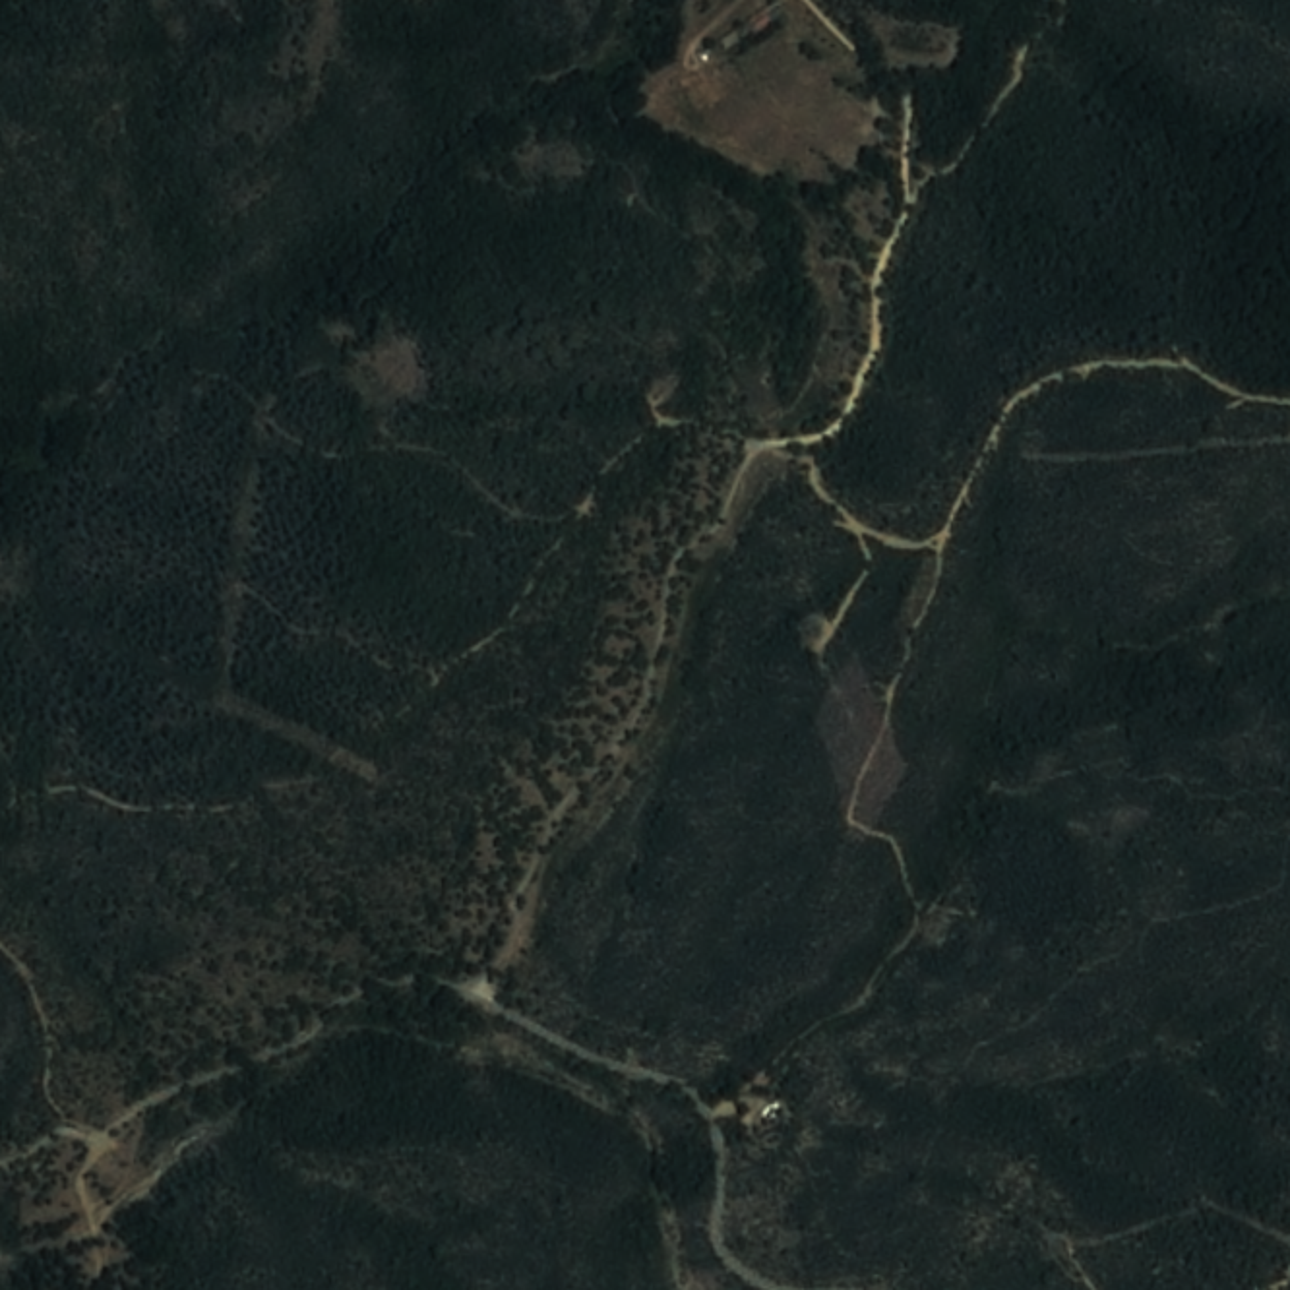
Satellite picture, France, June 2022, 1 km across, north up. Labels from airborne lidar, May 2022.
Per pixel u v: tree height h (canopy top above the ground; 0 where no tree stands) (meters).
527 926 0
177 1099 9
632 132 19
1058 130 6
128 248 6
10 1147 6
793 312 9
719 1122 6
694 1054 0
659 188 6
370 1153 6
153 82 7
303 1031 8
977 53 14
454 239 9
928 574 0
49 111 9
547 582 8
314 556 14
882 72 12
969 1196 0
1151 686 6
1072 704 7
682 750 0
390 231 9
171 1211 16
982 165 7
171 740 14
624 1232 7
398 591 7
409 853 6
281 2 8
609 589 8
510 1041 0
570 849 0
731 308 6
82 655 12
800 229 7
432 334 8
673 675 0
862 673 0
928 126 10
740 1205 0
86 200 7
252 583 13
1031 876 6
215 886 8
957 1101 6
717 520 9
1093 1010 6
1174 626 9
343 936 8
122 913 8
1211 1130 6
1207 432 8
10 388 10
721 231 7
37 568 8
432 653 10
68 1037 6
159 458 10
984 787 7
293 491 16
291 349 15
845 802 0
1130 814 0
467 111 7
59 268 7
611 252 7
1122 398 6
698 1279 0
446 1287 6
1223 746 0
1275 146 19
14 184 8
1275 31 7
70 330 5
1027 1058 0
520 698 11
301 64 7
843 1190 0
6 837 8
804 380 0
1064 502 9
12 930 8
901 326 7
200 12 7
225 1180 17
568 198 8
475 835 10
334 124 6
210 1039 11
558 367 12
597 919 0
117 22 11
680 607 9
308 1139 6
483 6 12
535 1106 7
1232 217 16
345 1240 6
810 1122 0
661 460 7
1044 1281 9
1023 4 14
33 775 8
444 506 7
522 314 14
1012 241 12
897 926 6
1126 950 0
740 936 0
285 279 6
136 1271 13
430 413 15
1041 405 8
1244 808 6
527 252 9
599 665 7
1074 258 12
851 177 12
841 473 7
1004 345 6
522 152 8
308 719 13
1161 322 15
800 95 0
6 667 7
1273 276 11
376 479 9
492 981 7
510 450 11
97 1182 7
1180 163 17
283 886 7
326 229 11
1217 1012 9
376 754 6
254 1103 7
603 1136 8
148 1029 11
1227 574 7
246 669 11
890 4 10
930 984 0
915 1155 0
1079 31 7
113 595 6
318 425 10
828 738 0
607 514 9
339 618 7
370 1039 9
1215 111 6
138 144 6
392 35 9
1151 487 6
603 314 13
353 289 14
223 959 6
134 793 10
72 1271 12
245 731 10
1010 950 0
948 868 6
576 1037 9
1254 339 10
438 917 7
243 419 12
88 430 9
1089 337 6
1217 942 6
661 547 7
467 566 9
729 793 0
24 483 14
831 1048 0
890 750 0
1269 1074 6
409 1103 6
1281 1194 6
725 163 17
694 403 6
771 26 6
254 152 9
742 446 7
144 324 7
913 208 9
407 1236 7
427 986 15
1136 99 16
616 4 9
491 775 8
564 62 7
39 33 10
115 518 13
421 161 11
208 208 7
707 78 0
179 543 13
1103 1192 5
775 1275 0
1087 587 6
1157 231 6
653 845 9
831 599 7
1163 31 8
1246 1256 6
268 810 8
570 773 8
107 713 15
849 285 9
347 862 6
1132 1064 9
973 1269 7
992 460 6
